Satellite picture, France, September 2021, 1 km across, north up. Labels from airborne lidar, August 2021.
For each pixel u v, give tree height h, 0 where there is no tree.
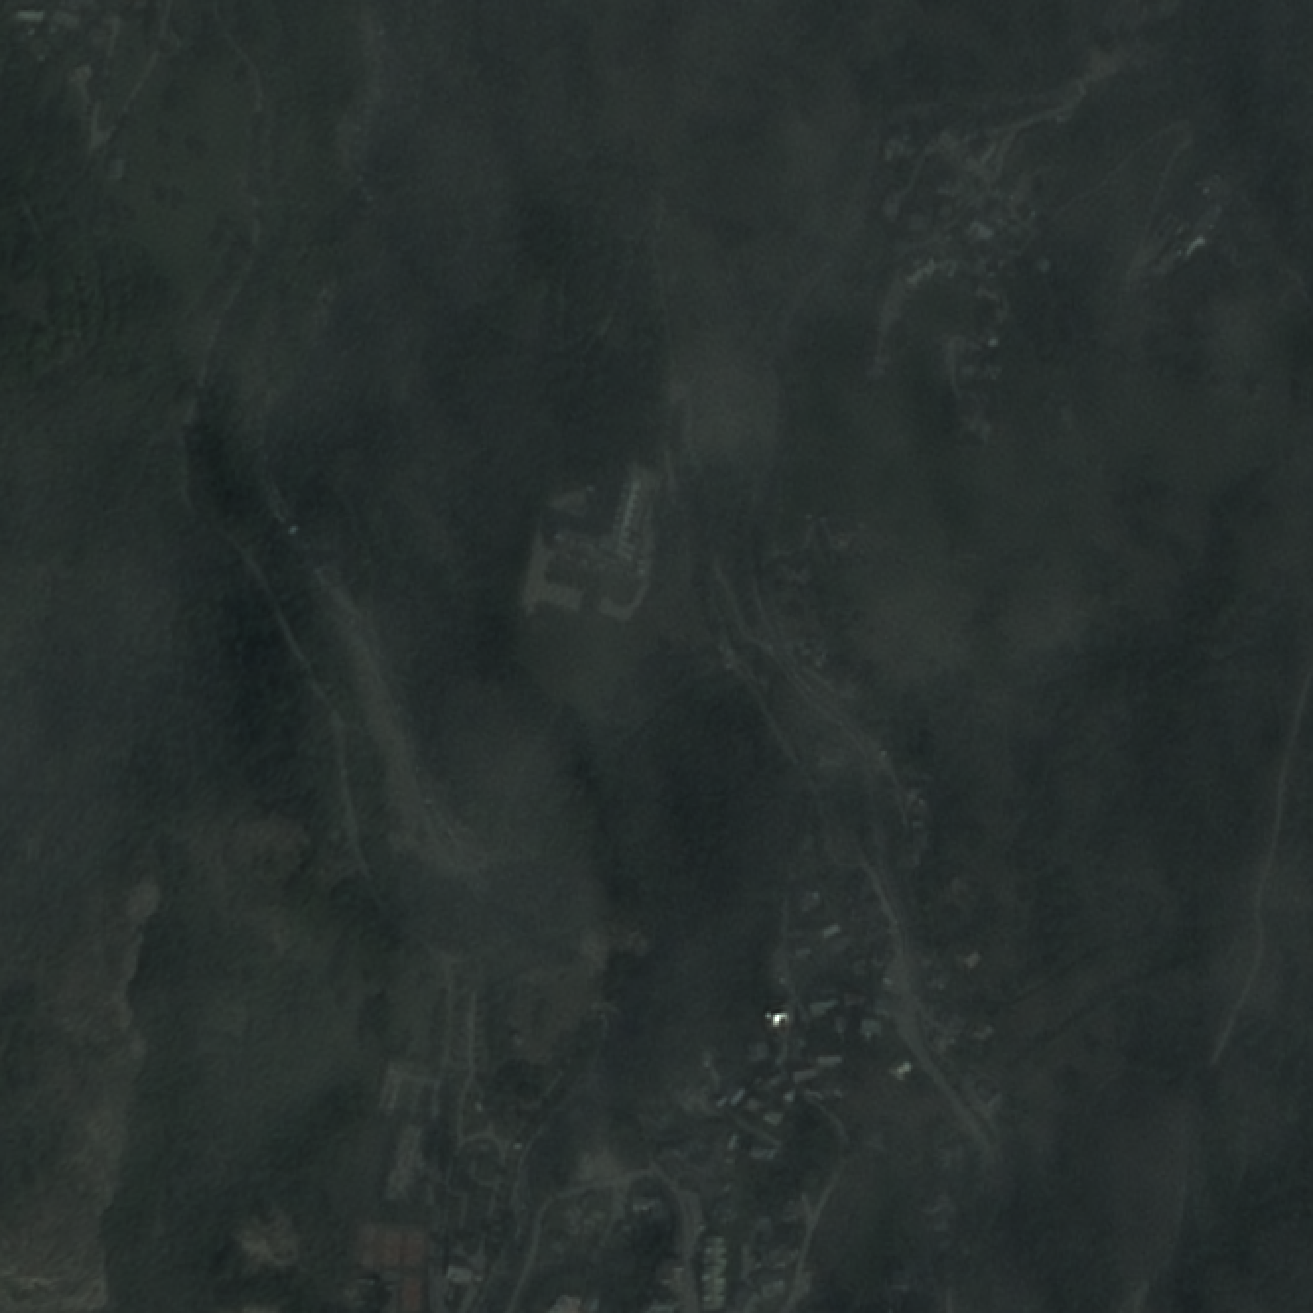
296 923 9
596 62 0
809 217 0
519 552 13
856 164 9
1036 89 9
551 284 12
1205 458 0
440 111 12
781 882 12
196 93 0
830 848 0
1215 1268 16
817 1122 11
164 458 19
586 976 0
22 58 19
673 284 0
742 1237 0
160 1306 9
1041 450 0
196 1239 26
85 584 9
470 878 0
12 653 9
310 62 23
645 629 0
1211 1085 14
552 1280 10
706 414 13
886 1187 0
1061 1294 20
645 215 10
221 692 25
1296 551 0
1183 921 14
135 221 15
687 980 18
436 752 17
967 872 7
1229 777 19
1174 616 15
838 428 0
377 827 22
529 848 15
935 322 0
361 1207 0
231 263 14
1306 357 0
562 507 0
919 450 0
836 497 0
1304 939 12
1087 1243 21
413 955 10
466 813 15
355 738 12
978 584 0
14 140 22
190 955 18
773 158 0
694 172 0
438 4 18
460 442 24
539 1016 9
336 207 21
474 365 25
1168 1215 0
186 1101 13
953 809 20
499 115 0
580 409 16
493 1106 11
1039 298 10
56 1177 7
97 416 12
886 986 0
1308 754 15
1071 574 0
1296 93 17
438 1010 7
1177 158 0
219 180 0
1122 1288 0
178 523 14
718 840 16
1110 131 11
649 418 20
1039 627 0
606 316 17
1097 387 0
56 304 14
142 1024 8
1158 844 25
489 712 23
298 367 12
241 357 20
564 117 21
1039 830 16
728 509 15
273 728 22
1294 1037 15
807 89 11
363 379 16
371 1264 0
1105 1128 0
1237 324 0
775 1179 9
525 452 20
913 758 10
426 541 11
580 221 10
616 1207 0
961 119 11
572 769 16
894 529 0
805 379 0
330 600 0
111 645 10
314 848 6
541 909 16
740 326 14
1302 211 18
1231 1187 14
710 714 16
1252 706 16
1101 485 0
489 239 24
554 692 0
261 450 9
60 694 16
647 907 7
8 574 10
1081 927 19
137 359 18
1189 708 14
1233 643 18
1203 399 0
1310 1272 21
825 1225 0
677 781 19
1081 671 21
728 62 0
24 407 26
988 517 0
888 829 18
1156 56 0
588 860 20
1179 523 0
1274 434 0
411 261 17
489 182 24
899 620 0
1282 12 20
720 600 12
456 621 24
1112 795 23
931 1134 15
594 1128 13
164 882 8
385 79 0
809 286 0
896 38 11
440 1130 11
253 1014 12
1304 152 21
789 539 0
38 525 15
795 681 0
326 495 17
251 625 30
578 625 0
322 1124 15
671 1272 0
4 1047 8
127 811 26
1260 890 0
